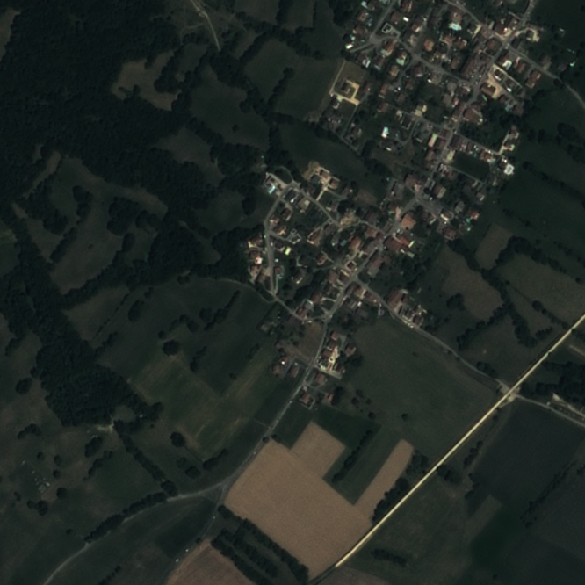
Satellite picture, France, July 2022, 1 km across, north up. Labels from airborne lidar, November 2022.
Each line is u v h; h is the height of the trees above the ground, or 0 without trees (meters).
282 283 0
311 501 0
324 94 0
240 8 0
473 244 0
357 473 0
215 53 7
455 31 10
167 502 15
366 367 0
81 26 15
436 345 0
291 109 0
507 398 0
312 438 0
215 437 0
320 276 14
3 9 11
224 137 13
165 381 0
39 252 19
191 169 16
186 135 0
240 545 16
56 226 19
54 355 19
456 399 0
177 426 0
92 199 16
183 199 22
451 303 13
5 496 0
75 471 0
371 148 13
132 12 18
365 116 18
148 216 18
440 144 0
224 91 0
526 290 0
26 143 11
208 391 0
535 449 0
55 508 0
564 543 0
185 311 0
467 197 7
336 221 0
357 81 0
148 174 20
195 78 17
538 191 0
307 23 0
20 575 0
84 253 0
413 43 0
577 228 0
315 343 0
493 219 0
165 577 0
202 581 0
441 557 0
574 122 0
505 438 0
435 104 6
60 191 0
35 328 18
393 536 0
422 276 13
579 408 0
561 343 0
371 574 0
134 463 0
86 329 0
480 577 0
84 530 0
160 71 0
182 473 0
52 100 21
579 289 0
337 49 0
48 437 0
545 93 10
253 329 0
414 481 0
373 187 0
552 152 0
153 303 0
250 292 0
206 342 0
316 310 11
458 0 0
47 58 21
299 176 13
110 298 0
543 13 0
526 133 15
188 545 0
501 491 0
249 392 0
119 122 17
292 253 0
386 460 0
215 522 0
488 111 7
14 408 0
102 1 14
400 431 0
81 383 19
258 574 14
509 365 0
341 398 11
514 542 0
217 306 0
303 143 0
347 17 14
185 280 15
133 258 0
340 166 0
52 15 20
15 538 0
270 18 0
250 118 0
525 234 0
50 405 7
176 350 19
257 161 12
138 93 10
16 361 0
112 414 10
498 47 0
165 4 8
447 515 0
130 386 12
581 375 16
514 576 0
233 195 0
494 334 0
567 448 0
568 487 0
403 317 0
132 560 0
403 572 0
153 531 0
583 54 13
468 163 0
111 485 0
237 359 0
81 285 0
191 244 12
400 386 0
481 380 0
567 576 0
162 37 12
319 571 0
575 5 0
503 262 17
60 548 0
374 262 0
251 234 11
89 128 15
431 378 0
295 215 0
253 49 13
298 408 0
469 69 0
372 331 0
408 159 0
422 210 8
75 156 16
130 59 12
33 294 23
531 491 0
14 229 19
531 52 0
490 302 0
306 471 0
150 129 17
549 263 15
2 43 0
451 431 0
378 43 0
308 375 0
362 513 0
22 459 0
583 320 0
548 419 0
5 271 0
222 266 15
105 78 18
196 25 0
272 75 0
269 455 0
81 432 0
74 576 0
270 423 0
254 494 0
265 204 0
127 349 0
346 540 0
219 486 0
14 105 16
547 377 0
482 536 0
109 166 21
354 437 0
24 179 25
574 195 9
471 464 10
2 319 0
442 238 0
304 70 0
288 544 0
